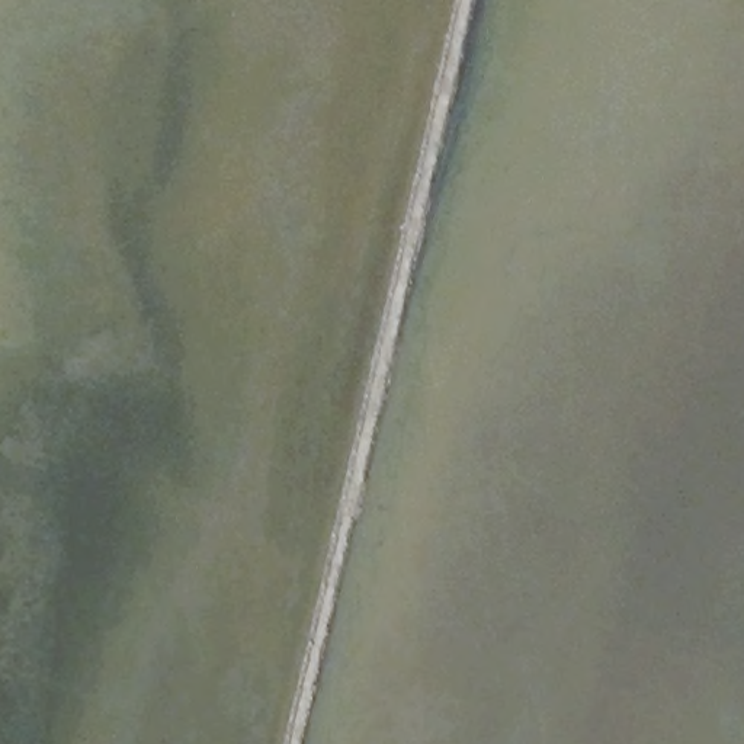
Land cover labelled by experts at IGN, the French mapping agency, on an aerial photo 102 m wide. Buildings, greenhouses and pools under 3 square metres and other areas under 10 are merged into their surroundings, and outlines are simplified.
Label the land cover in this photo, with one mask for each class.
<instances>
[{"label":"water","instance_id":"1","mask_svg":"<svg viewBox=\"0 0 744 744\"><path fill-rule=\"evenodd\" d=\"M453 15V0H0V744H285L294 695L299 689V668L308 648V631L320 599L323 570L328 561V538L337 520L346 465L355 445L363 384L369 375V360L375 352L389 294V276L401 238V221L410 203V183L421 151V137L430 116L436 67ZM299 744H744V0H474L462 41L453 99L448 108L442 145L430 180L421 241L410 267L384 398L363 468L360 503L349 526L343 567L334 590V605L314 677V695Z\"/></svg>","mask_w":744,"mask_h":744},{"label":"pervious surface","instance_id":"2","mask_svg":"<svg viewBox=\"0 0 744 744\"><path fill-rule=\"evenodd\" d=\"M474 0H453V15L436 67L430 116L421 137V151L410 183V203L401 221V238L389 276V294L375 352L369 360V375L363 384L355 445L346 465L337 520L328 538V561L323 570L320 599L308 631V648L299 668V689L294 695L285 744H299L314 695V677L334 605V590L343 567L349 526L360 503L363 468L384 398L410 267L421 241L430 180L442 145L448 108L453 99L462 41Z\"/></svg>","mask_w":744,"mask_h":744}]
</instances>
